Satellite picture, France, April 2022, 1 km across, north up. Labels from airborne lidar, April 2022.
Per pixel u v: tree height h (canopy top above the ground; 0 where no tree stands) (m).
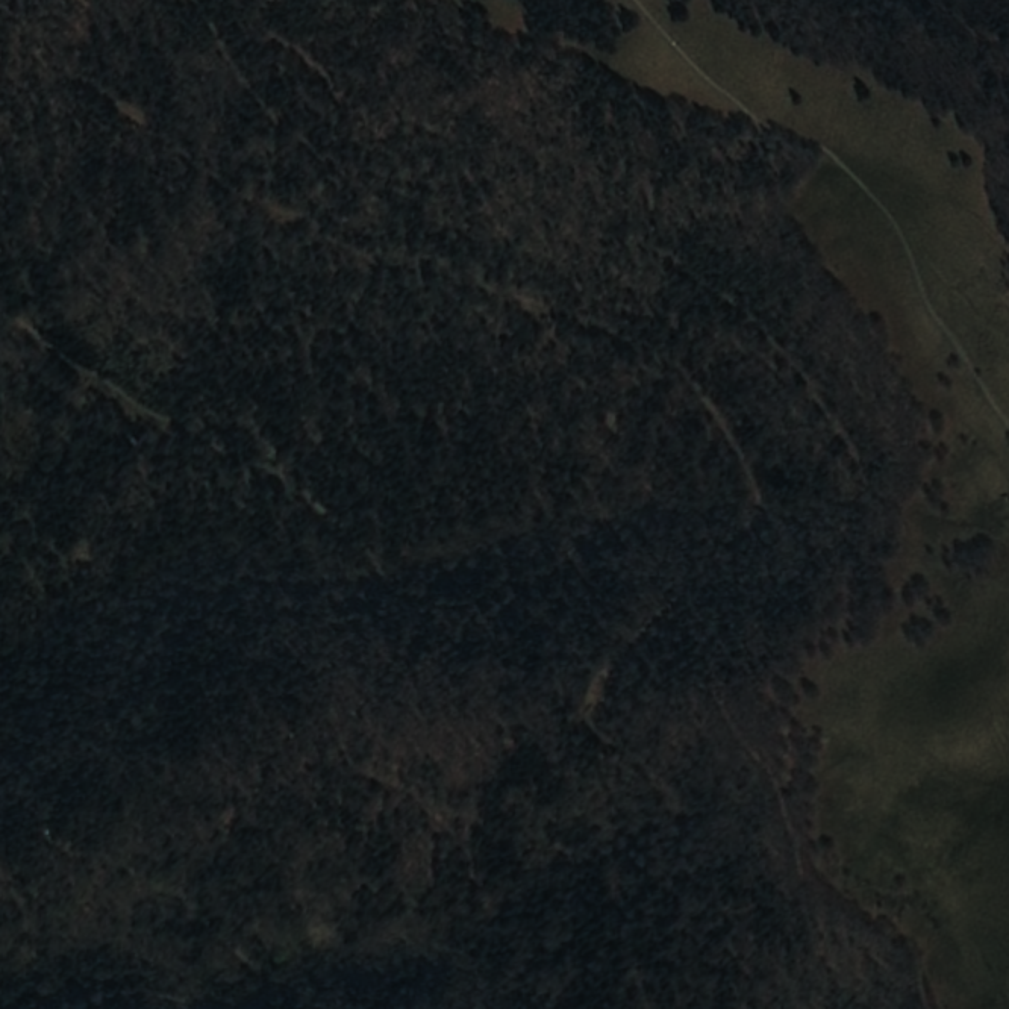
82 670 29
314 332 18
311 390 27
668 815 28
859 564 15
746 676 21
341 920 30
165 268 26
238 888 8
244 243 20
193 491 28
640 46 0
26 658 37
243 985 26
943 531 0
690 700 22
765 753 15
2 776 32
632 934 20
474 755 20
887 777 0
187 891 26
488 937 27
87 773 21
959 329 0
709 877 14
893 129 0
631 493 23
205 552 31
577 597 34
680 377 14
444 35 8
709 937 20
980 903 0
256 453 34
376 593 19
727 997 18
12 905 26
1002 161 19
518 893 25
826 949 21
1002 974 0
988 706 0
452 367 27
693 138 16
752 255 19
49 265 26
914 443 16
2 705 36
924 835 0
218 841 33
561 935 30
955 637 0
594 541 7
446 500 27
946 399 0
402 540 31
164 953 34
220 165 13
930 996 9
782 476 11
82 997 35
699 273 17
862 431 18
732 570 22
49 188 27
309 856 29
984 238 0
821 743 10
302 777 25
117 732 28
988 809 0
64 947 34
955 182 0
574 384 25
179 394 28
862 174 0
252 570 33
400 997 27
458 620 15
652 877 16
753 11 20
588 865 29
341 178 17
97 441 23
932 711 0
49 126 25
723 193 21
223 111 19
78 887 32
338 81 18
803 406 20
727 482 21
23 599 29
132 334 8
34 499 25
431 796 20
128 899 27
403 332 20
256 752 23
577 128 15
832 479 21
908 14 19
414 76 17
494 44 13
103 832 20
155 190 20
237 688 31
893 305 0
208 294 24
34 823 24
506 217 20
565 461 17
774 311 17
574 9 25
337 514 28
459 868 10
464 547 28
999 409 0
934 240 0
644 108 17
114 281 27
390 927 35
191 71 20
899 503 15
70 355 20
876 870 0
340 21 6
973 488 0
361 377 18
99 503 24
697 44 0
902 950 24
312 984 32
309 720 20
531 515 28
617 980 19
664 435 20
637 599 27
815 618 21
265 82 19
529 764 19
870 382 17
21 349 32
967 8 12
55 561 20
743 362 8
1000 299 0
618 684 9
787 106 0
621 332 16
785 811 20
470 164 21
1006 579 0
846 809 0
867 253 0
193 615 30
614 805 28
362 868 31
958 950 0
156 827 21
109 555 33
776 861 19
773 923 17
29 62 26
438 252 13
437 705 25
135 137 23
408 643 26
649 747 22
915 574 0
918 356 0
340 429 28
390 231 18
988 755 0
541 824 26
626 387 23
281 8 6
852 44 21
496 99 18
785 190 19
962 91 19
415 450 27
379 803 28
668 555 22
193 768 25
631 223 25
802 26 15
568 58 23
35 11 23
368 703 23
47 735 34
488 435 28
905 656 0
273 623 28
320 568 29
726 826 22
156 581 25
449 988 31
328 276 27
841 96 0
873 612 18
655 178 18
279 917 29
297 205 7
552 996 27
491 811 22
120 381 14
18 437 8
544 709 21
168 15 18
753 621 22
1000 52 11
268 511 31
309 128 15
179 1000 14
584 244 19
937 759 0
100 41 29
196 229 23
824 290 17
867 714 0
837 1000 22
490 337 29
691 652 18
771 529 24
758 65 0
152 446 32
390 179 19
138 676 32
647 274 15
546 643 32
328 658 31
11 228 24
